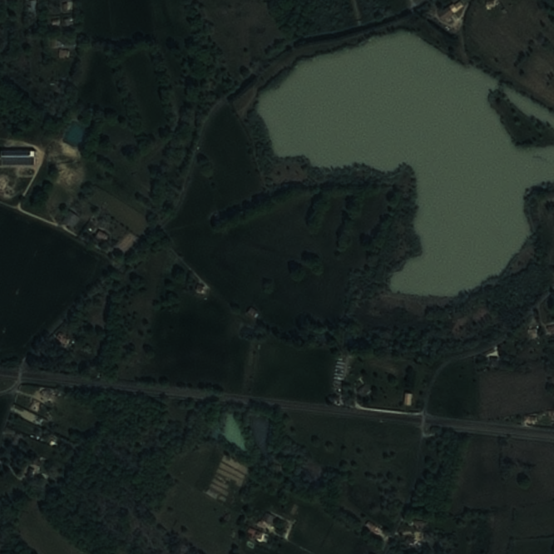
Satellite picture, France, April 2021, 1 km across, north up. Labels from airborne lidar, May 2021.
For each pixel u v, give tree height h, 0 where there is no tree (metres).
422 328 0
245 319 0
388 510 14
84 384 0
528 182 0
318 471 0
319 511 0
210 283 0
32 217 0
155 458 16
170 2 0
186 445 16
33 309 0
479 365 9
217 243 0
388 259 7
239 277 0
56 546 0
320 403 0
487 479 0
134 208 0
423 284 0
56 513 25
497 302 11
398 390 7
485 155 0
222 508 0
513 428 0
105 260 0
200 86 17
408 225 10
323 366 0
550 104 0
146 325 15
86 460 19
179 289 0
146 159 0
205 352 0
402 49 0
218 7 0
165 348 0
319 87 0
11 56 16
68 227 8
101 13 0
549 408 0
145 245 20
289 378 0
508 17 0
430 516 20
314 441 13
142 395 12
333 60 0
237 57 0
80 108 17
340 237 14
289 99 0
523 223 0
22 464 16
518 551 0
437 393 0
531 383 0
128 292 10
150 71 0
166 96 22
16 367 6
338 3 10
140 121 23
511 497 0
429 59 0
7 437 0
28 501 18
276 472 20
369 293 8
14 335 0
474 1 10
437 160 0
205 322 0
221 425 14
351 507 0
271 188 8
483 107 0
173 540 12
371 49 0
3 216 0
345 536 0
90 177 0
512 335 10
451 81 0
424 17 9
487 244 0
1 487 0
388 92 0
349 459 0
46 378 0
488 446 0
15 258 0
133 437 14
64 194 0
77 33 17
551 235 0
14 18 21
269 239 0
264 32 0
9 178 0
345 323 11
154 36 0
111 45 16
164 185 26
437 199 0
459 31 0
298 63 8
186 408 9
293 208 0
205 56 22
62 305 0
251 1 0
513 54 0
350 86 0
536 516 0
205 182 0
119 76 19
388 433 0
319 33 8
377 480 8
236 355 0
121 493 20
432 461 12
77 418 0
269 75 0
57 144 0
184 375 0
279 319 0
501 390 0
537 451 0
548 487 0
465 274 0
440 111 0
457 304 10
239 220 23
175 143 19
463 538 0
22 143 0
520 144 8
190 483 0
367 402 10
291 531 0
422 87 0
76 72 17
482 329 9
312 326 23
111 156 0
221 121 0
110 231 8
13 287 0
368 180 8
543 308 0
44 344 20
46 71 8
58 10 13
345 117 0
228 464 0
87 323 9
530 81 0
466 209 0
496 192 0
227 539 0
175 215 19
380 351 19
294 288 0
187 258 0
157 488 15
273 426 15
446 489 21
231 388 0
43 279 0
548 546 0
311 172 7
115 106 0
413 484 0
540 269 10
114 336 23
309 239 0
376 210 0
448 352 7
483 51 0
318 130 0
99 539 25
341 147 0
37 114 20
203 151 0
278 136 0
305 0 15
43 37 18
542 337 13
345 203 0
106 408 19
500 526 0
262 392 0
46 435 10
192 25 19
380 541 16
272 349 0
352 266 0
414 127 0
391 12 11
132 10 0
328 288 0
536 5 0
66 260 0
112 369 22
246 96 0
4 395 0
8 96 22
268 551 6
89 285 0
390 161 0
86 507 22
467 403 0
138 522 19
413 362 0
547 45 12
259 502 0
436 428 7
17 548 22
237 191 0
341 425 0
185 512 0
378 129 0
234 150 0
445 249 0
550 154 0
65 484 17
